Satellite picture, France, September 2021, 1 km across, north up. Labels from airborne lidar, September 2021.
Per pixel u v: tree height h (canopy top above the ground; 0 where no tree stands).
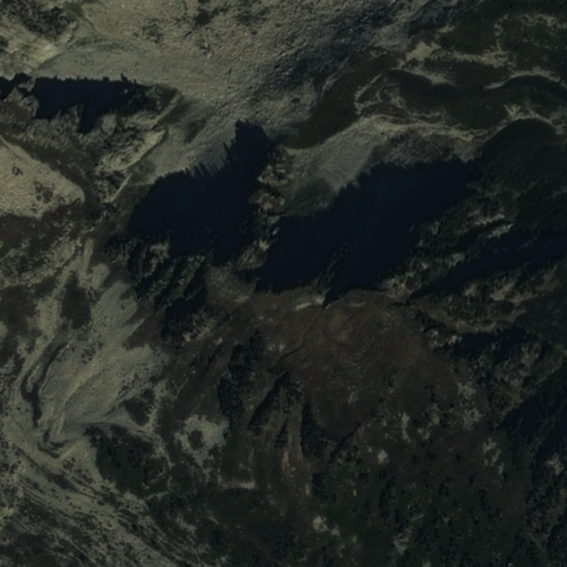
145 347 0
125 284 0
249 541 0
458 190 7
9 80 0
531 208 5
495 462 0
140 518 0
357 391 0
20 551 0
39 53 0
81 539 0
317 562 0
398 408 0
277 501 0
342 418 0
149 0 0
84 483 0
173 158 0
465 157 0
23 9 6
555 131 0
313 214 0
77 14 0
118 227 0
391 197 0
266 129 0
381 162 0
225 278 0
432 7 0
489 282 10
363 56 0
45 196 0
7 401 0
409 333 0
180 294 0
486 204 9
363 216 0
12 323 0
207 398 0
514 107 0
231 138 0
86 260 0
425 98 0
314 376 0
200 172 0
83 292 0
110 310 0
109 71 0
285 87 0
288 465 0
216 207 0
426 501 0
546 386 5
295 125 0
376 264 7
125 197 0
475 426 0
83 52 0
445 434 0
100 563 0
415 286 8
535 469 10
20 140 0
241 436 0
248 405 0
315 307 0
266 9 0
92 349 0
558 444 12
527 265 26
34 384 0
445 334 9
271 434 0
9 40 0
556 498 9
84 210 0
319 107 0
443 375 0
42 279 0
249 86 0
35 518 0
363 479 13
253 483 0
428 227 12
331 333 0
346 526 0
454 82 0
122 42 0
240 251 11
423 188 0
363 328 0
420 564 0
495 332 0
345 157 0
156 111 7
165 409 0
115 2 0
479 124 0
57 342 0
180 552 0
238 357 9
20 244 0
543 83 0
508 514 0
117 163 0
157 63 0
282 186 0
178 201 0
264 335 0
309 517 0
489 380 8
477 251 14
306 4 0
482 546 0
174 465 0
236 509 0
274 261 0
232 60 0
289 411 8
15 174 0
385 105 0
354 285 10
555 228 6
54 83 0
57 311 0
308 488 0
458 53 0
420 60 0
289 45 0
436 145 0
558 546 14
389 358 0
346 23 0
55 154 0
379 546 0
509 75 0
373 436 0
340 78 0
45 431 0
